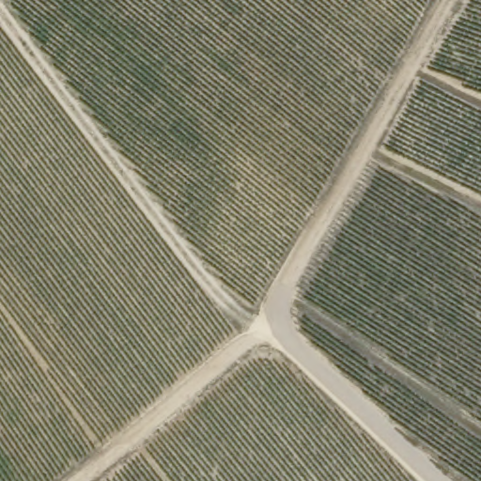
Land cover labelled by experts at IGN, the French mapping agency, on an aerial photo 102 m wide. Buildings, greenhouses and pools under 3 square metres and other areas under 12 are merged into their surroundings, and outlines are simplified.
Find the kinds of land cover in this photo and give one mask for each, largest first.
<instances>
[{"label":"vineyard","instance_id":"1","mask_svg":"<svg viewBox=\"0 0 481 481\"><path fill-rule=\"evenodd\" d=\"M11 6V13L38 43L39 51L49 58L54 70L64 75L66 85L77 94V100L85 105V111L90 118L100 124V132L115 145L116 150L128 162L133 163V173L141 178L143 186L162 205L167 220L177 227L178 233L188 240V244H192L195 256L205 263L207 271L216 280H220L227 287L229 295L246 312L256 316L259 314V306L267 297L274 276L284 265L293 244L306 227H310L318 220L323 209L325 201L331 197L334 186L340 180V175L344 173L353 150L359 147V141L363 139L370 120L378 113L385 92L393 85L396 73L404 66V60L410 56L411 45L421 36L423 26L432 15V6L438 0H6ZM453 8L442 26V36L445 39L440 51L430 64H421L417 71L419 85L410 83L406 88L404 96L396 105L395 113L387 122V128L383 130L376 143L370 162L366 163L365 175L359 177L357 184L349 192L346 203L334 218L329 231L319 242L318 250L314 252L308 267L304 269L299 280V295L289 314L291 318L299 321L301 333L310 340V344L318 348L346 378L355 381L361 387L363 395L368 396L374 404H378L381 410L389 415V419L396 423V432L406 442L427 451L430 462L451 481H481V0H449ZM244 329L237 319L222 312L205 293V289L195 282L194 276L180 263L175 252L169 248V244L160 237L156 227L145 216V212L137 207V203L126 192V188L107 167V163L101 160L96 148L88 143L83 132L75 126V122L51 94V90L43 85L38 73L32 70V66L24 60L23 54L17 51L13 41L0 26V481H66L73 473L83 470L88 460L103 455V442L120 428L126 427V423H130L135 415H139L143 408H147L148 404H152L162 395L165 387H171L178 376L190 372L203 359H207L218 344H222L235 334L242 333ZM199 402H195L190 410L180 411L173 423H165V430H156L154 436L145 440L141 447H135L122 457L116 458L115 462H111L92 481H417L381 447L380 443L366 434L365 428L355 423L346 411L340 410L338 404L325 395L318 385L308 380L303 370L293 365L280 349L272 348L267 342L246 349L218 378L207 383L203 391L197 395Z\"/></svg>","mask_w":481,"mask_h":481},{"label":"pervious surface","instance_id":"2","mask_svg":"<svg viewBox=\"0 0 481 481\"><path fill-rule=\"evenodd\" d=\"M11 6L6 0H0V26L13 41L17 51L23 54L24 60L32 66V70L38 73L43 85L51 90V94L75 122V126L83 132L88 143L96 148L101 160L107 163V167L126 188V192L137 203V207L145 212V216L156 227L160 237L169 244V248L175 252L180 263L194 276L195 282L205 289V293L222 312L237 319L244 329L242 333L235 334L222 344H218L207 359H203L190 372L178 376L171 387H165L162 395L152 404H148L147 408H143L139 415H135L130 423H126V427L120 428L103 442V455L88 460L83 470L73 473L66 481H92L111 462H115L116 458L122 457L135 447H141L145 440L154 436L156 430H165V423H173L180 411L190 410L195 402H199L197 395L203 391L207 383L218 378L246 349L261 344L254 334L248 331L256 316L246 312L229 295L227 287L220 280H216L207 271L205 263L195 256L192 244H188V240L178 233L177 227L167 220L162 205L143 186L141 178L133 173V163L128 162L116 150L115 145L100 132V124L90 118L85 111V105L77 100V94L66 85L64 75L54 70L49 58L39 51L38 43L11 13ZM453 8L449 0H438L432 6V15L423 26L421 36L411 45L410 56L404 60V66L396 73L393 85L385 92L378 113L370 120L363 139L359 141V147L353 150L344 173L340 175V180L334 186L331 197L325 201L323 209L333 214L334 218L346 203L349 192L357 184L359 177L365 175L366 163L370 162L376 143L383 130L387 128V122L395 113L396 105L404 96L406 88L410 83L419 85L417 71L421 64H430L440 51L445 39L442 36V26Z\"/></svg>","mask_w":481,"mask_h":481},{"label":"impervious surface","instance_id":"3","mask_svg":"<svg viewBox=\"0 0 481 481\"><path fill-rule=\"evenodd\" d=\"M334 218L333 214L323 209L318 220L310 227H306L293 244L284 265L274 276L267 297L259 306V314L256 316L248 331L254 334L261 344L267 342L272 348L280 349L293 365L303 370L308 380L318 385L325 395L338 404L340 410L346 411L355 423L365 428L366 434L380 443L381 447L417 481H451L430 462L427 451L406 442L396 432V423L389 419V415L381 410L378 404H374L368 396L363 395L361 387L355 381L346 378L318 348L310 344V340L301 333L299 321L291 318L289 314L299 295V280L304 269L308 267L314 252L318 250L319 242L329 231Z\"/></svg>","mask_w":481,"mask_h":481}]
</instances>
